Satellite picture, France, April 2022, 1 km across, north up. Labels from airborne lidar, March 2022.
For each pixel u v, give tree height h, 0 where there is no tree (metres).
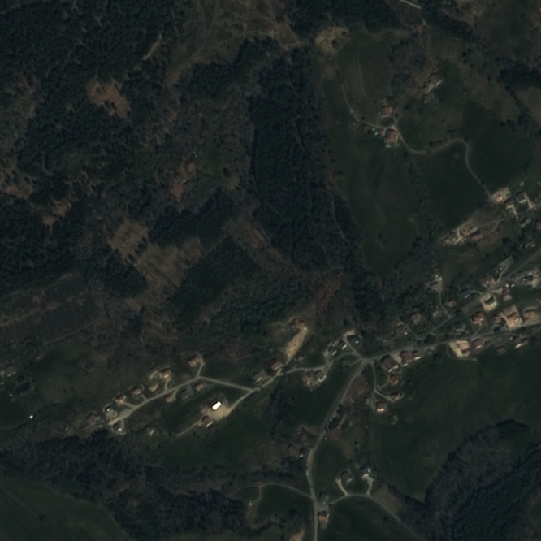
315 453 0
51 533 0
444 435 0
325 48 0
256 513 0
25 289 14
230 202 26
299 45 0
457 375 0
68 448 19
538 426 0
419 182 20
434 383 0
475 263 0
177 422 0
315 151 33
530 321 0
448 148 0
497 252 0
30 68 17
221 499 25
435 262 19
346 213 26
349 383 0
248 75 9
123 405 0
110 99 0
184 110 18
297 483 8
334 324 0
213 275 15
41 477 8
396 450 0
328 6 14
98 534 0
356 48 0
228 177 18
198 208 14
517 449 0
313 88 17
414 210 0
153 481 8
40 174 31
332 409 0
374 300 21
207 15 0
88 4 26
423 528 23
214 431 11
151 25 23
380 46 0
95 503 19
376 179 0
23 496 0
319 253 29
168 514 10
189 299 13
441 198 0
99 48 32
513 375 0
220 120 16
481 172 0
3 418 0
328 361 0
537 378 0
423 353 0
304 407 0
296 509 0
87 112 25
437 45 0
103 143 26
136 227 0
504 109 0
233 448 0
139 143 7
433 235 16
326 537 0
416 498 0
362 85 0
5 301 20
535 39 0
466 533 29
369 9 30
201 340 7
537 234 12
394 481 0
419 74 18
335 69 0
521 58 0
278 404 30
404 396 0
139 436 12
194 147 12
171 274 0
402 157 0
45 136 34
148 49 17
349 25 13
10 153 19
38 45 26
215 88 29
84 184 13
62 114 26
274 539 0
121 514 9
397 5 11
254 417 0
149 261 0
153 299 0
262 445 0
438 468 0
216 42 0
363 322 7
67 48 19
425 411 0
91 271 32
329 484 0
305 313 0
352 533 0
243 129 6
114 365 20
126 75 33
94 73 29
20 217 18
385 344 0
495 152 0
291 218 26
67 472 12
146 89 40
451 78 0
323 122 21
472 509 31
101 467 22
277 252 19
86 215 7
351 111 0
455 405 0
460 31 21
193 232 32
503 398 0
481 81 0
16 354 9
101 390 0
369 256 0
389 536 0
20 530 0
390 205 0
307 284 8
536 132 16
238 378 0
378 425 0
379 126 0
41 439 11
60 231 16
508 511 29
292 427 27
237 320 16
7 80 20
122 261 29
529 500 21
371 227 0
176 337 10
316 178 33
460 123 0
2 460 22
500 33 0
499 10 0
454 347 0
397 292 23
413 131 0
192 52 0
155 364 0
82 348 0
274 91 22
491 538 28
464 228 0
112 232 23
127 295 30
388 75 0
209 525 33
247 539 11
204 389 0
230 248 10
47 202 11
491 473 20
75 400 0
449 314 0
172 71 0
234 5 0
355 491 0
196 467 0
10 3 25
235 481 15
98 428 0
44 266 28
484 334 0
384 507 0
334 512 0
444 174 0
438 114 0
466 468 23
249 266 11
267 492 0
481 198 0
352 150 0
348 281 8
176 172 8
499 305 0
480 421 0
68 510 0
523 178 0
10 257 24
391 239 0
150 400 0
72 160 30
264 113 34
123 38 26
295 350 0
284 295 17
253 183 11
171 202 18
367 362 0
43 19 28
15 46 27
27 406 0
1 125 20
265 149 30
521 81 26
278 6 0
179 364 0
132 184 7
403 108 0
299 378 0
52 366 0
